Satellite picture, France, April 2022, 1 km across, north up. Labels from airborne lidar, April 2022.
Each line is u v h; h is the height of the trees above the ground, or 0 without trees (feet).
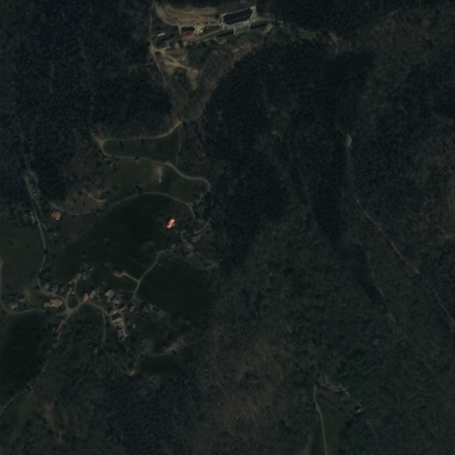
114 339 0
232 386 99
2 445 58
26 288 0
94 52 23
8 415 0
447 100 33
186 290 0
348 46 73
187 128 68
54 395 84
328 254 84
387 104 52
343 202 78
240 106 97
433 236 46
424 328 59
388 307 58
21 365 0
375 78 73
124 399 76
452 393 64
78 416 54
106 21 56
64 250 0
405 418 63
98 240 0
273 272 87
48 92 67
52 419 0
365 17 63
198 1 70
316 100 99
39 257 0
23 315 0
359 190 23
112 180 0
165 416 62
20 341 0
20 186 80
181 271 0
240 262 94
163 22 61
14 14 65
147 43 35
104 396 51
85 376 49
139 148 0
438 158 21
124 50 43
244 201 96
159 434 61
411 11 83
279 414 97
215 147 85
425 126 21
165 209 0
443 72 46
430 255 56
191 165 22
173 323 56
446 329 55
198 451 70
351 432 86
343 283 63
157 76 40
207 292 0
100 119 46
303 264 81
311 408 49
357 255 86
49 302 0
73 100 80
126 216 0
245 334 102
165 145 0
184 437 80
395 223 50
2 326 54
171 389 46
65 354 82
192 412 62
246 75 92
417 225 46
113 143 0
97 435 76
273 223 70
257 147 66
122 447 63
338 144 77
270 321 90
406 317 81
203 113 42
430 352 82
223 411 92
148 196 0
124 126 78
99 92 41
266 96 88
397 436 64
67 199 47
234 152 94
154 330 0
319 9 55
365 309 46
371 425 68
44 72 25
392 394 63
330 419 0
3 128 33
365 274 76
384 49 76
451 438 54
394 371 46
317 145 86
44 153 37
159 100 43
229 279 55
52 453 79
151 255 30
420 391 73
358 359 71
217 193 36
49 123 58
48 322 47
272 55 103
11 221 38
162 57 0
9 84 58
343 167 96
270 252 72
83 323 36
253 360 93
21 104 65
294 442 94
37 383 59
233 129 89
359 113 85
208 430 72
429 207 23
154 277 0
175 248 55
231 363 100
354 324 59
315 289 55
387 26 68
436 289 52
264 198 86
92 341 19
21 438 0
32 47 56
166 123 76
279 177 77
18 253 0
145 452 55
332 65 67
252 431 86
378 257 59
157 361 0
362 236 51
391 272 63
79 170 33
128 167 0
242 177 78
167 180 0
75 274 29
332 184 84
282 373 58
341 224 80
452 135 26
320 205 79
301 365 54
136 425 83
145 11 26
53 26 51
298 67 107
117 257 0
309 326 59
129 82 72
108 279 0
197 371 46
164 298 0
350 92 91
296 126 81
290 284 59
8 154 73
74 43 52
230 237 51
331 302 60
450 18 76
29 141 50
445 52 54
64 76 26
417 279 61
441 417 52
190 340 42
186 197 0
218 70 94
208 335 65
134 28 38
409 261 42
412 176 35
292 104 48
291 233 54
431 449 52
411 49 84
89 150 32
